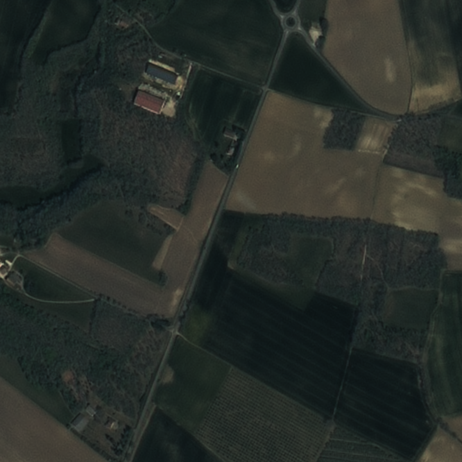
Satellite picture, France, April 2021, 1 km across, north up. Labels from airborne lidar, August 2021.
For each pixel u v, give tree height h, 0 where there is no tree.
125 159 8
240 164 0
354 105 0
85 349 14
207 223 0
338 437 6
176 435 0
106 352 9
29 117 13
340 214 0
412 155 17
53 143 12
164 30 0
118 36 11
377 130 0
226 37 0
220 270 0
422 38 0
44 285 0
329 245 0
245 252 8
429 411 0
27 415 0
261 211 0
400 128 16
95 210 0
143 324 13
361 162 0
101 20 15
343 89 0
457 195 20
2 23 0
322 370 0
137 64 12
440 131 13
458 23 0
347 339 0
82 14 0
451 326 0
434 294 0
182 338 0
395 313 0
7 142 14
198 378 0
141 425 0
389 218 0
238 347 0
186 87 11
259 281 0
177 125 16
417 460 0
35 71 15
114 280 0
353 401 0
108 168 13
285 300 0
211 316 0
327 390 0
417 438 0
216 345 0
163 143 16
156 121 14
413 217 0
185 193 9
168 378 0
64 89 9
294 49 0
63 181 17
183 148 15
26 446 0
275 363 0
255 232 8
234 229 0
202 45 0
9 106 0
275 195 0
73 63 24
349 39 0
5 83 0
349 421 0
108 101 6
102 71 10
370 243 11
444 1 0
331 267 12
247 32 0
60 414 0
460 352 0
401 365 0
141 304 0
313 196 0
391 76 0
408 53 0
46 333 12
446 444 0
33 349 20
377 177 0
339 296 13
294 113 0
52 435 0
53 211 19
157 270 0
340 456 6
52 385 10
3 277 0
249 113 0
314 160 0
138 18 9
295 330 0
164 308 0
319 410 0
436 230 0
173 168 11
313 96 0
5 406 0
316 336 0
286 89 0
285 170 0
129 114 8
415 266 9
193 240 0
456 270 0
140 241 0
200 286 0
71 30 0
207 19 0
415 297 0
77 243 0
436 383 0
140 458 0
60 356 15
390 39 0
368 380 0
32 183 22
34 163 13
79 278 0
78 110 22
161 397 0
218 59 0
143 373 14
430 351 0
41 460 0
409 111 0
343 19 0
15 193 0
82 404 13
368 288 17
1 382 0
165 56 0
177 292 0
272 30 0
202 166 17
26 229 17
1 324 19
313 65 0
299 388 0
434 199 0
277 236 18
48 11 10
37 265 0
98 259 0
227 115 0
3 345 16
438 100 0
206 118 0
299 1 0
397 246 8
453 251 0
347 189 0
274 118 0
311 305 0
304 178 0
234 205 0
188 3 0
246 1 0
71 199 23
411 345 10
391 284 18
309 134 0
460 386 0
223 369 0
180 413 0
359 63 0
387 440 0
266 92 0
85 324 0
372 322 10
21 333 20
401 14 0
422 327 0
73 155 0
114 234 0
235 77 0
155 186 10
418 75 0
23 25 0
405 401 0
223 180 0
